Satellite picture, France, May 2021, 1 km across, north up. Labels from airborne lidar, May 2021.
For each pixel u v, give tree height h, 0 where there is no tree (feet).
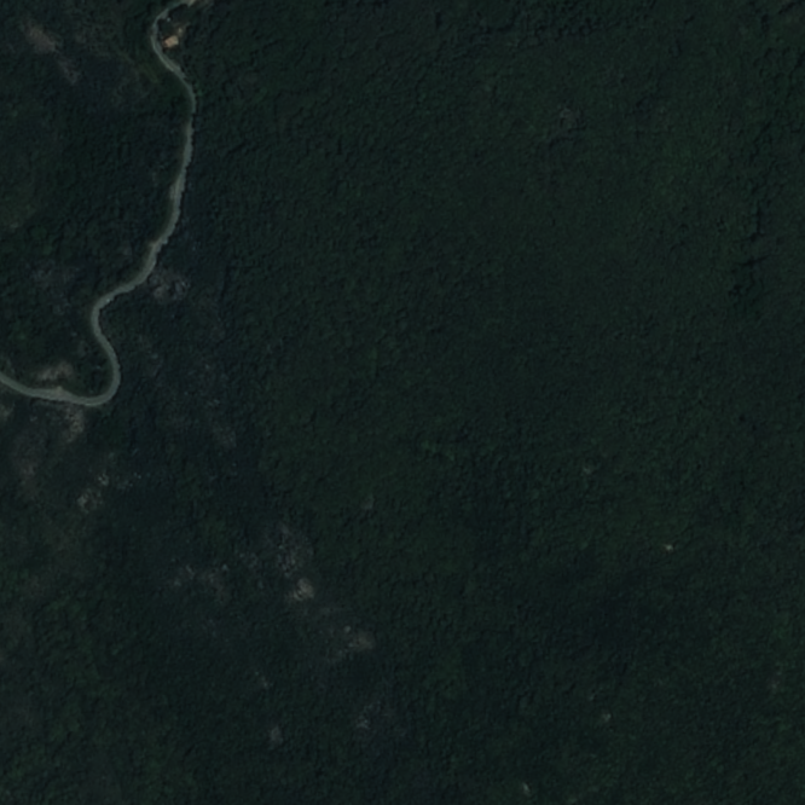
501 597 43
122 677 53
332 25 58
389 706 21
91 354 22
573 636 36
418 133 42
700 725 28
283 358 38
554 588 31
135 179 25
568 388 44
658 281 56
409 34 68
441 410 61
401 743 28
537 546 30
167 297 0
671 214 66
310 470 47
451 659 46
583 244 46
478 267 53
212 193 36
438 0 76
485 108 45
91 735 53
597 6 32
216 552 29
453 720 33
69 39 23
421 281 48
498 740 46
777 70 21
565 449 41
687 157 49
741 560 55
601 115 44
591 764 22
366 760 22
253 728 31
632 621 28
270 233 51
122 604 41
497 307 60
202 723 33
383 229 40
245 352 28
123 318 20
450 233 55
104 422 48
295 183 40
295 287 59
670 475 35
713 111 45
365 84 46
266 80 40
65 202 53
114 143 35
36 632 37
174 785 45
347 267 53
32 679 41
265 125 42
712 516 59
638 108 41
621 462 49
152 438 24
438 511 37
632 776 35
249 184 41
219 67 41
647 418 46
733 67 62
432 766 33
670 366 39
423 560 48
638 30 32
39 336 42
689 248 62
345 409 50
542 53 48
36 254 39
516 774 29
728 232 48
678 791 31
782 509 43
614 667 45
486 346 60
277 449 45
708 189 54
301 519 37
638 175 43
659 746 30
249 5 30
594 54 52
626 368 44
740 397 70
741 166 64
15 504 26
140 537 24
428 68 51
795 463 55
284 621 20
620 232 35
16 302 50
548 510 35
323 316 52
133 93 19
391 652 28
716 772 31
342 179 45
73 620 56
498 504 42
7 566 35
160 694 43
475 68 50
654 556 19
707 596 24
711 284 62
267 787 42
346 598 29
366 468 46
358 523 39
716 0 56
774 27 57
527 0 38
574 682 47
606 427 43
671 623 31
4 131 46
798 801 55
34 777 28
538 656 46
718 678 35
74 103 28
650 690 26
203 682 31
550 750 38
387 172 44
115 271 24
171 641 29
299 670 20
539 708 40
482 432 53
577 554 30
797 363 66
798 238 46
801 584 55
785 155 62
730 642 34
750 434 68
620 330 44
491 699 34
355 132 57
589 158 49
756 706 37
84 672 57
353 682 29
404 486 40
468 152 51
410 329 54
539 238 49
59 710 44
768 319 75
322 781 48
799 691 32
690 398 44
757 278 70
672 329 41
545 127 37
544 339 47
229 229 45
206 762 43
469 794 42
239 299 44
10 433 18
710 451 59
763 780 48
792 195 60
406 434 37
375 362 48
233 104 30
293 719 32
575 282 56
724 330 65
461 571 36
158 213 28
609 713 17
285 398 44
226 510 22
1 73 70
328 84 52
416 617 37
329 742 50
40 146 23
